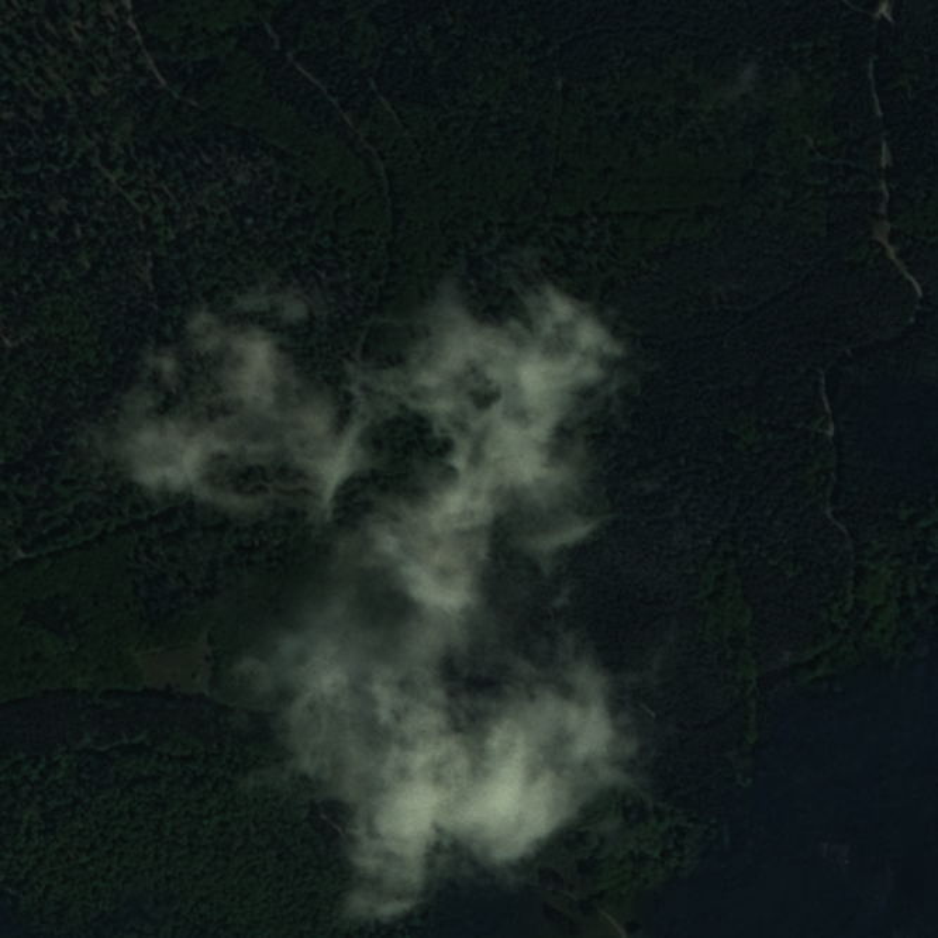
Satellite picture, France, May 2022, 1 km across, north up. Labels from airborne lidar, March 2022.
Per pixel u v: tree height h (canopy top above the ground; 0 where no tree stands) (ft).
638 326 57
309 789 96
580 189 59
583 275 57
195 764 77
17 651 53
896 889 0
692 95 77
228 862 87
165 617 48
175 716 70
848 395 51
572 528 66
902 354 54
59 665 68
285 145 52
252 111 70
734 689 43
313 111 56
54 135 83
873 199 74
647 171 55
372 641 72
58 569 63
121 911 81
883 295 68
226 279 91
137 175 94
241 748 72
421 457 46
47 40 100
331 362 87
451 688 80
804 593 79
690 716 68
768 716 85
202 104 41
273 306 94
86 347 92
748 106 73
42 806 75
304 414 104
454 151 71
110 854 82
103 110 32
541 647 46
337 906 78
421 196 79
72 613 46
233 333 126
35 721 72
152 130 38
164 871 81
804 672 80
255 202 117
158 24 74
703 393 70
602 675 61
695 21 66
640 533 84
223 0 63
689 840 70
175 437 99
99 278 76
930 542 80
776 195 71
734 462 79
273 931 86
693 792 71
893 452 33
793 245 63
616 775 64
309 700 60
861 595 67
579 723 76
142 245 100
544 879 85
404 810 86
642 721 76
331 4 75
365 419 124
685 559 79
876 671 87
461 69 67
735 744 109
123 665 65
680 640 63
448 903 98
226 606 59
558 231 106
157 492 78
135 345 80
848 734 88
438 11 75
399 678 49
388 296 59
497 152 75
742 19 69
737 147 57
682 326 51
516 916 26
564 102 59
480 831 77
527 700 81
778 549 57
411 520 58
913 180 64
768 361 85
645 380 48
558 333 31
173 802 91
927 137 71
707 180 68
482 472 56
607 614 51
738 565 78
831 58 64
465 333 92
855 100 63
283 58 64
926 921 31
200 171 110
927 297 52
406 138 60
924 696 70
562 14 79
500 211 39
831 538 74
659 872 34
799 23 71
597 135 62
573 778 83
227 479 98
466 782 90
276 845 87
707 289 50
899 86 81
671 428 78
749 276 63
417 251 61
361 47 73
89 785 74
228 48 73
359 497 31
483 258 22
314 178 49
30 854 87
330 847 94
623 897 32
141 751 71
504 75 68
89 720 76
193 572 31
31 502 101
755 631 86
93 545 55
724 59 68
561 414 36
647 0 58
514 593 55
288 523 97
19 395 52
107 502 99
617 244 45
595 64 65
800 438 63
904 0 38
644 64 47
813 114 70
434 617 58
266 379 88
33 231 44
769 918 0
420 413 97
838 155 68
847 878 0
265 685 68
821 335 70
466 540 46
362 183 57
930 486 36
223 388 95
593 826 76
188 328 89
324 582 57
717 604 81
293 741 82
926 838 55
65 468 83
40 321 75
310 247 40
